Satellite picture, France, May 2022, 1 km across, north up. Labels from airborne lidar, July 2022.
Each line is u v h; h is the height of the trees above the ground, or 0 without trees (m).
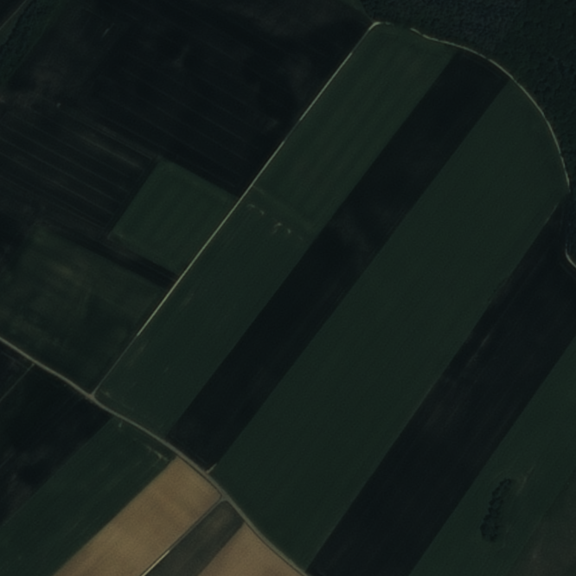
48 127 0
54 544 0
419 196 0
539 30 22
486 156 0
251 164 0
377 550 0
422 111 0
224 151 0
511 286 0
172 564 0
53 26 0
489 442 0
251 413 0
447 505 0
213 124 0
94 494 0
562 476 0
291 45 0
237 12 0
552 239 0
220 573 0
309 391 0
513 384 0
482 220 0
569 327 0
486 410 0
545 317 0
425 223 0
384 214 0
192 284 0
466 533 0
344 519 0
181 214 0
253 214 0
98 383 0
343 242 0
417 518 0
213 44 0
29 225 0
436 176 0
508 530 0
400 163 0
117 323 0
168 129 0
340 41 0
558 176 0
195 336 0
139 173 0
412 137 0
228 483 0
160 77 0
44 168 0
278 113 0
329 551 0
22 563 0
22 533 0
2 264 0
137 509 0
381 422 0
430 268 0
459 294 0
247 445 0
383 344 0
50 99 0
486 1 21
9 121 0
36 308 0
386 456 0
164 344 0
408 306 0
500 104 0
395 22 21
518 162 0
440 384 0
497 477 0
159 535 0
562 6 26
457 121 0
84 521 0
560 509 0
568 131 17
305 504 0
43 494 0
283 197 0
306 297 0
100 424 0
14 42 6
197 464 0
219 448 0
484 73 0
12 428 0
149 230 0
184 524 0
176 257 0
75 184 0
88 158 0
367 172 0
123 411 0
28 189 0
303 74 0
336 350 0
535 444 0
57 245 0
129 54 0
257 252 0
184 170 0
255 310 0
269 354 0
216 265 0
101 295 0
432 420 0
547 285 0
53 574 0
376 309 0
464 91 0
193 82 0
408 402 0
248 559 0
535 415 0
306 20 0
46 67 0
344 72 0
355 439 0
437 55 0
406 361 0
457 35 13
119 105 0
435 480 0
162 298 0
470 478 0
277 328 0
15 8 0
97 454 0
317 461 0
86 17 0
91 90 0
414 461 0
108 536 0
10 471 0
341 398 0
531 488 0
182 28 0
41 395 0
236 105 0
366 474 0
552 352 0
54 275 0
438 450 0
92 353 0
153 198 0
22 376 0
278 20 0
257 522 0
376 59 0
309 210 0
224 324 0
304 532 0
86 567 0
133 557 0
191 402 0
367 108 0
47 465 0
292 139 0
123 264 0
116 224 0
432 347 0
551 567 0
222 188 0
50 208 0
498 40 21
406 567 0
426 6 19
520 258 0
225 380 0
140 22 0
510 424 0
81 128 0
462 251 0
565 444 0
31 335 0
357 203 0
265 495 0
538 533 0
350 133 0
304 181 0
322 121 0
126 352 0
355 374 0
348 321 0
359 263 0
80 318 0
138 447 0
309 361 0
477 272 0
